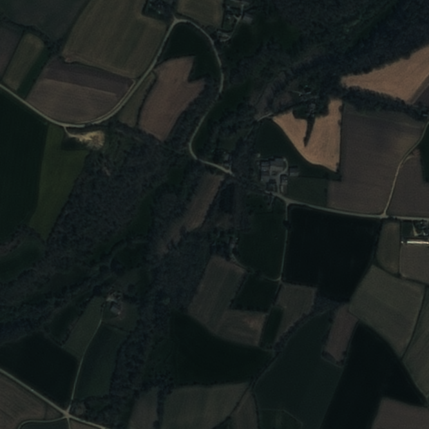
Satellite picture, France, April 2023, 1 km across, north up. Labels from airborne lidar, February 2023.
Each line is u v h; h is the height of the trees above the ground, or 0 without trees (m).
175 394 0
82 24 0
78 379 0
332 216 0
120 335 0
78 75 0
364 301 0
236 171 12
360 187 0
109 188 17
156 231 31
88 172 7
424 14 31
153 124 0
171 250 31
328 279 0
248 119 8
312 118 8
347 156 0
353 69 26
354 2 24
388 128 0
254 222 0
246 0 0
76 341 0
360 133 0
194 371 0
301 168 0
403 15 32
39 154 0
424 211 0
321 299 16
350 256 0
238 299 0
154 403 0
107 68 0
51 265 20
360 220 0
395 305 0
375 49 29
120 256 0
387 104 20
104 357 0
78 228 19
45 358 0
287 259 0
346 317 0
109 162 18
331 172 0
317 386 0
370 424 0
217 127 11
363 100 16
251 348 0
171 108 0
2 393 0
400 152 0
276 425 0
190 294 12
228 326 0
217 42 10
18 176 0
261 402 0
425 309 0
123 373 21
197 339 0
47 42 7
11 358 0
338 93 24
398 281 0
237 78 20
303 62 0
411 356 0
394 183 0
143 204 0
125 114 0
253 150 6
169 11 17
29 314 14
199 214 0
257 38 0
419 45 18
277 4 27
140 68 0
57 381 0
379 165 0
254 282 0
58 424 0
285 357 0
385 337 0
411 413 0
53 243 16
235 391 0
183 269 11
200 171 31
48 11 0
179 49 0
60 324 0
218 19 0
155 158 20
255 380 10
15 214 0
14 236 7
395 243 0
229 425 0
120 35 0
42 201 0
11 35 0
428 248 0
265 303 0
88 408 14
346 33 14
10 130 0
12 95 0
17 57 0
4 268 0
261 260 0
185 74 0
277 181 0
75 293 11
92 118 0
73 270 0
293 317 0
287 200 0
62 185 0
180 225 0
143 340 30
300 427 0
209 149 15
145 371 0
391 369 0
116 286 0
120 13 0
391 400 0
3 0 0
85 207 7
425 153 0
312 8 19
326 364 0
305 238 0
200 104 18
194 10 0
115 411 15
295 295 0
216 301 0
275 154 0
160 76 0
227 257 16
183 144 17
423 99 0
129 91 0
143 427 0
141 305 28
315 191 0
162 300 26
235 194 7
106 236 20
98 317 0
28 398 0
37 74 0
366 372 0
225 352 0
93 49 0
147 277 0
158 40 0
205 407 0
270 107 23
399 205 0
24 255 0
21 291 15
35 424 0
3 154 0
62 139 0
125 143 0
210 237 14
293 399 0
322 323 0
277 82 0
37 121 0
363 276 0
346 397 0
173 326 0
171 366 0
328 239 0
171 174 0
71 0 0
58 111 0
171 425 0
